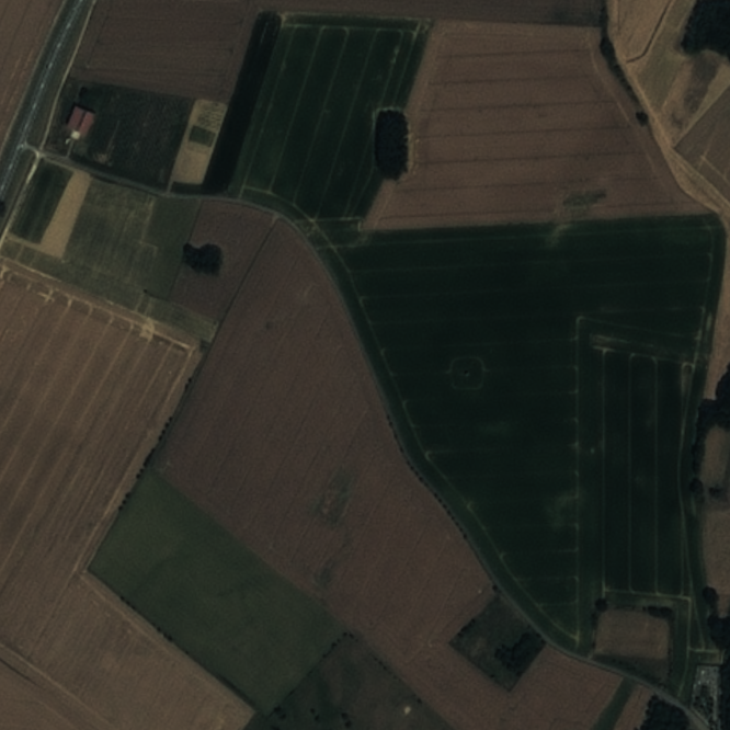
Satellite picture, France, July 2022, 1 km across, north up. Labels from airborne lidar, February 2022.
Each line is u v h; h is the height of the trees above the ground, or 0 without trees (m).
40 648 0
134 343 0
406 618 0
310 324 0
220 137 0
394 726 0
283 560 0
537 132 0
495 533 0
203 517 0
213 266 16
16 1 0
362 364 0
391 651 0
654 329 0
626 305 0
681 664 0
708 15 17
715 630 19
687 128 0
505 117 0
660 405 0
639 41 0
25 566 0
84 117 0
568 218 0
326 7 0
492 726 0
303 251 0
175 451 0
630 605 0
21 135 0
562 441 0
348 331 0
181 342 0
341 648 0
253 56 0
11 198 0
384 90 0
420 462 0
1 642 0
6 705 0
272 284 0
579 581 0
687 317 0
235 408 0
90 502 0
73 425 0
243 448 0
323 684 0
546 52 0
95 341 0
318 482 0
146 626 0
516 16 0
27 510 0
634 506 0
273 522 0
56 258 0
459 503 0
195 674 0
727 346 0
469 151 0
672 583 0
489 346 0
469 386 0
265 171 0
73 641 0
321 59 0
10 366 0
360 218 0
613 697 0
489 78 0
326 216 0
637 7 0
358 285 0
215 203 0
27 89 0
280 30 0
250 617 0
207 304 0
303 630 0
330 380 0
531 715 0
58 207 0
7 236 0
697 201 0
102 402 0
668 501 0
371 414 0
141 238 0
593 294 0
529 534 0
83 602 0
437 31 0
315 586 0
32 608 0
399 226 0
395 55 0
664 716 16
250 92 0
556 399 0
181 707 0
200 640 0
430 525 0
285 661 0
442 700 0
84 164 0
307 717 0
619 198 0
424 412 0
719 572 0
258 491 0
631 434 0
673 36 0
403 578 0
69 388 0
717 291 0
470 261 0
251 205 0
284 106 0
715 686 0
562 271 0
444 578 0
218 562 0
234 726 0
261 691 0
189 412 0
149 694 0
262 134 0
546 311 0
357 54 0
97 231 0
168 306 0
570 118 0
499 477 0
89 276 0
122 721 0
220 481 0
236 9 0
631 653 0
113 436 0
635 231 0
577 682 0
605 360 0
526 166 0
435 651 0
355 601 0
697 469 13
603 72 0
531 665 0
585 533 0
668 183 0
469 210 0
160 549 0
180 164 0
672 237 0
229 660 0
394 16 0
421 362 0
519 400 0
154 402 0
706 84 0
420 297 0
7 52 0
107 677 0
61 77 0
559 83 0
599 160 0
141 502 0
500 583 0
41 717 0
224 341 0
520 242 0
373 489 0
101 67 0
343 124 0
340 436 0
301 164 0
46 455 0
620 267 0
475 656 0
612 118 0
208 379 0
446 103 0
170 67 0
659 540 0
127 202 0
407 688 0
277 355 0
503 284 0
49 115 0
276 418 0
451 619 0
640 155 0
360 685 0
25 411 0
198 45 0
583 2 0
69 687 0
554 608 0
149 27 0
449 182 0
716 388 0
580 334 0
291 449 0
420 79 0
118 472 0
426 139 0
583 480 0
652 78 0
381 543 0
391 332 0
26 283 0
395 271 0
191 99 0
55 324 0
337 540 0
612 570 0
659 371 0
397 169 26
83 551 0
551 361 0
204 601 0
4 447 0
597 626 0
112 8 0
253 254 0
